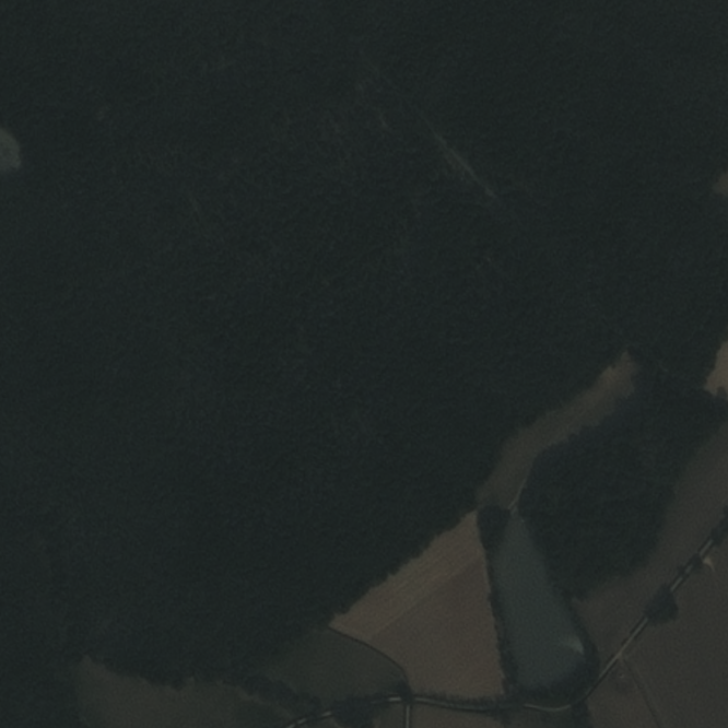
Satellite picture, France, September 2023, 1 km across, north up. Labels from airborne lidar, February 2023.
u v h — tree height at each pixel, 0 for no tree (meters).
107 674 0
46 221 21
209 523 22
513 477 0
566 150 23
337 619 0
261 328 20
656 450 26
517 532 0
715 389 0
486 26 24
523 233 19
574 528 24
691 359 25
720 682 0
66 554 17
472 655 0
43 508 18
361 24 23
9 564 25
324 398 21
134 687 0
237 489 25
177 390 25
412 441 20
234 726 0
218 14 22
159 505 23
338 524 21
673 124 24
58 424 18
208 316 23
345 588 26
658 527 17
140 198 21
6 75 19
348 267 18
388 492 22
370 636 0
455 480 27
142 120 20
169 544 26
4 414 19
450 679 0
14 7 24
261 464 22
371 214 22
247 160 14
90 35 23
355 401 21
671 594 16
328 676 0
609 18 20
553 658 0
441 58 18
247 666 24
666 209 25
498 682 0
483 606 0
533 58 22
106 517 19
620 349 13
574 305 19
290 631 22
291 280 17
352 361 21
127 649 22
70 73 23
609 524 25
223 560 24
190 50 19
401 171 21
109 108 22
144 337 23
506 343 24
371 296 19
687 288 24
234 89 24
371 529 25
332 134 16
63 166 20
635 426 23
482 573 0
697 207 24
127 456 22
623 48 18
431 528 19
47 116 23
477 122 19
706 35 28
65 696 21
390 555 26
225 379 23
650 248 30
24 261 24
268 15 22
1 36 22
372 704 15
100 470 22
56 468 20
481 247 16
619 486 23
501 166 19
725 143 26
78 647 9
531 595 0
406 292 21
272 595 24
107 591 19
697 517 0
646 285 26
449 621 0
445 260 21
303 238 23
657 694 0
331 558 23
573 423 0
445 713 0
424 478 25
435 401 22
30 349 22
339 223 21
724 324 19
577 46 22
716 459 0
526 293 20
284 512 23
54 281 23
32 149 21
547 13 24
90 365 24
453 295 23
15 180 17
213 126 22
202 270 19
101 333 23
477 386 28
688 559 0
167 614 20
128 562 20
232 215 17
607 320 18
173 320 21
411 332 25
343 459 21
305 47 22
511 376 22
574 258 22
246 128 26
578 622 12
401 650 0
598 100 23
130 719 0
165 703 0
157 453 23
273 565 27
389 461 25
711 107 29
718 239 23
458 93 22
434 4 21
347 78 22
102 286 23
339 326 24
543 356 23
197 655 25
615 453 14
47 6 25
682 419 19
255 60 25
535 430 0
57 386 21
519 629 0
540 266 24
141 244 21
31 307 20
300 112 19
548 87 23
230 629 25
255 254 17
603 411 0
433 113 17
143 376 24
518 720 0
